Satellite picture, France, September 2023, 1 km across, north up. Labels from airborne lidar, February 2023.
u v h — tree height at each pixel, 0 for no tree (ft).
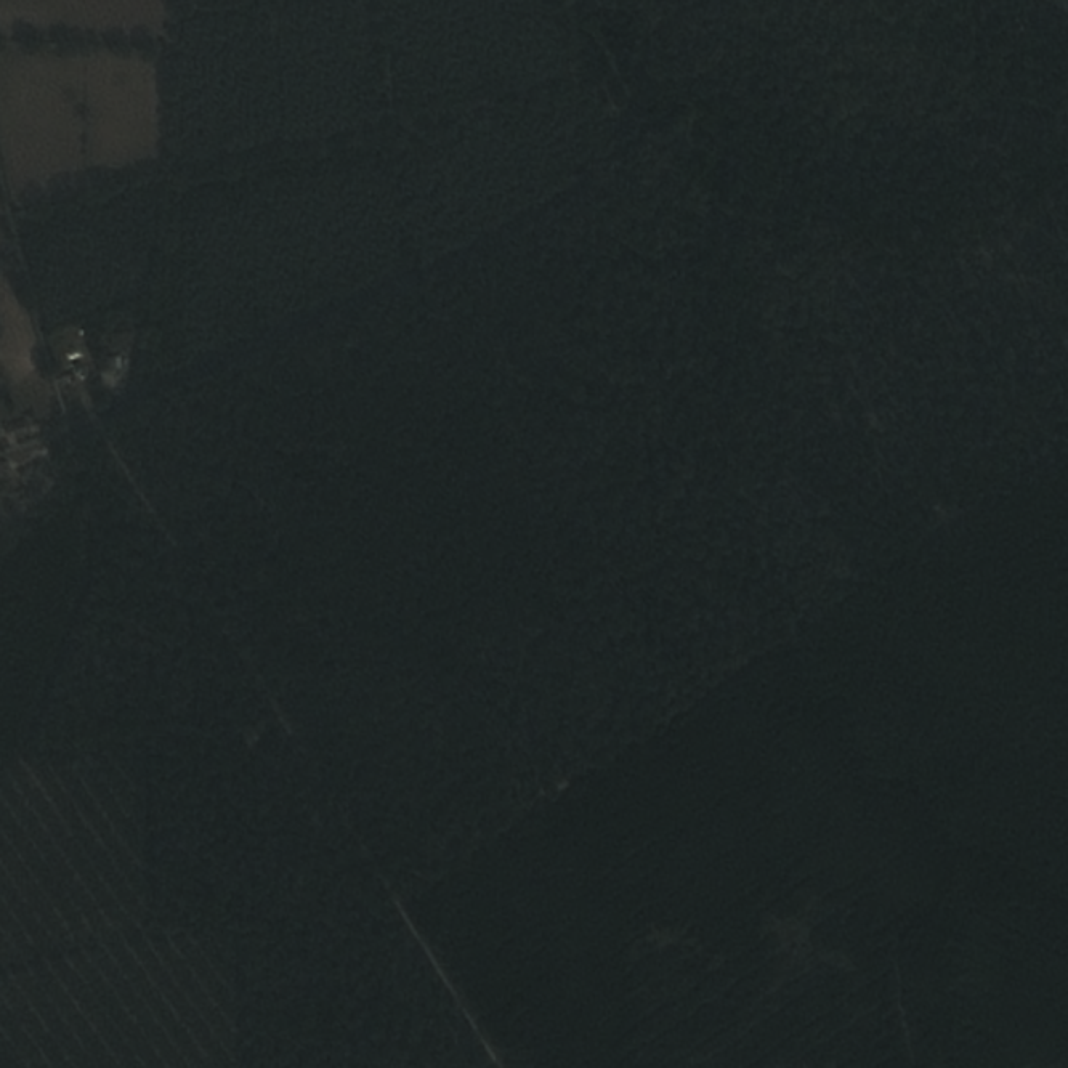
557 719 97
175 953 46
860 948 28
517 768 109
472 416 96
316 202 45
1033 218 73
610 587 118
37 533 36
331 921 119
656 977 21
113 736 32
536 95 68
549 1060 33
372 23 56
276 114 46
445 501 98
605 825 21
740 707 33
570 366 96
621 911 24
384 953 105
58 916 45
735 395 83
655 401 76
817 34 54
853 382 77
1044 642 69
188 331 47
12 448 0
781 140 95
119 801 47
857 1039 31
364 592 103
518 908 30
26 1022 47
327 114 47
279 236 40
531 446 98
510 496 92
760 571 87
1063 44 96
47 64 0
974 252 68
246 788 105
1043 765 48
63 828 42
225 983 30
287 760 105
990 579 73
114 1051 43
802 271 70
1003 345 98
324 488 96
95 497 89
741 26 55
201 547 105
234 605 98
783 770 29
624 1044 20
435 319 88
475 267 80
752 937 24
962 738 52
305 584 87
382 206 47
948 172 107
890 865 33
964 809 63
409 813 102
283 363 95
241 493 98
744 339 76
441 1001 100
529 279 87
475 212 41
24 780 46
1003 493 76
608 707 94
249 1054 85
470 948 39
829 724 33
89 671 107
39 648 39
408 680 92
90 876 44
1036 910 24
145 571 105
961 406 111
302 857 112
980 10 46
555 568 99
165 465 102
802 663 71
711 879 38
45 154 0
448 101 43
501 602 97
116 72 0
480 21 36
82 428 85
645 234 90
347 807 99
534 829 31
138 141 0
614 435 93
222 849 121
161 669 104
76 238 46
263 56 47
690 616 84
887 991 27
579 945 33
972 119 46
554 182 37
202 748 99
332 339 88
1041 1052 38
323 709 95
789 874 19
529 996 23
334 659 83
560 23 48
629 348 76
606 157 45
